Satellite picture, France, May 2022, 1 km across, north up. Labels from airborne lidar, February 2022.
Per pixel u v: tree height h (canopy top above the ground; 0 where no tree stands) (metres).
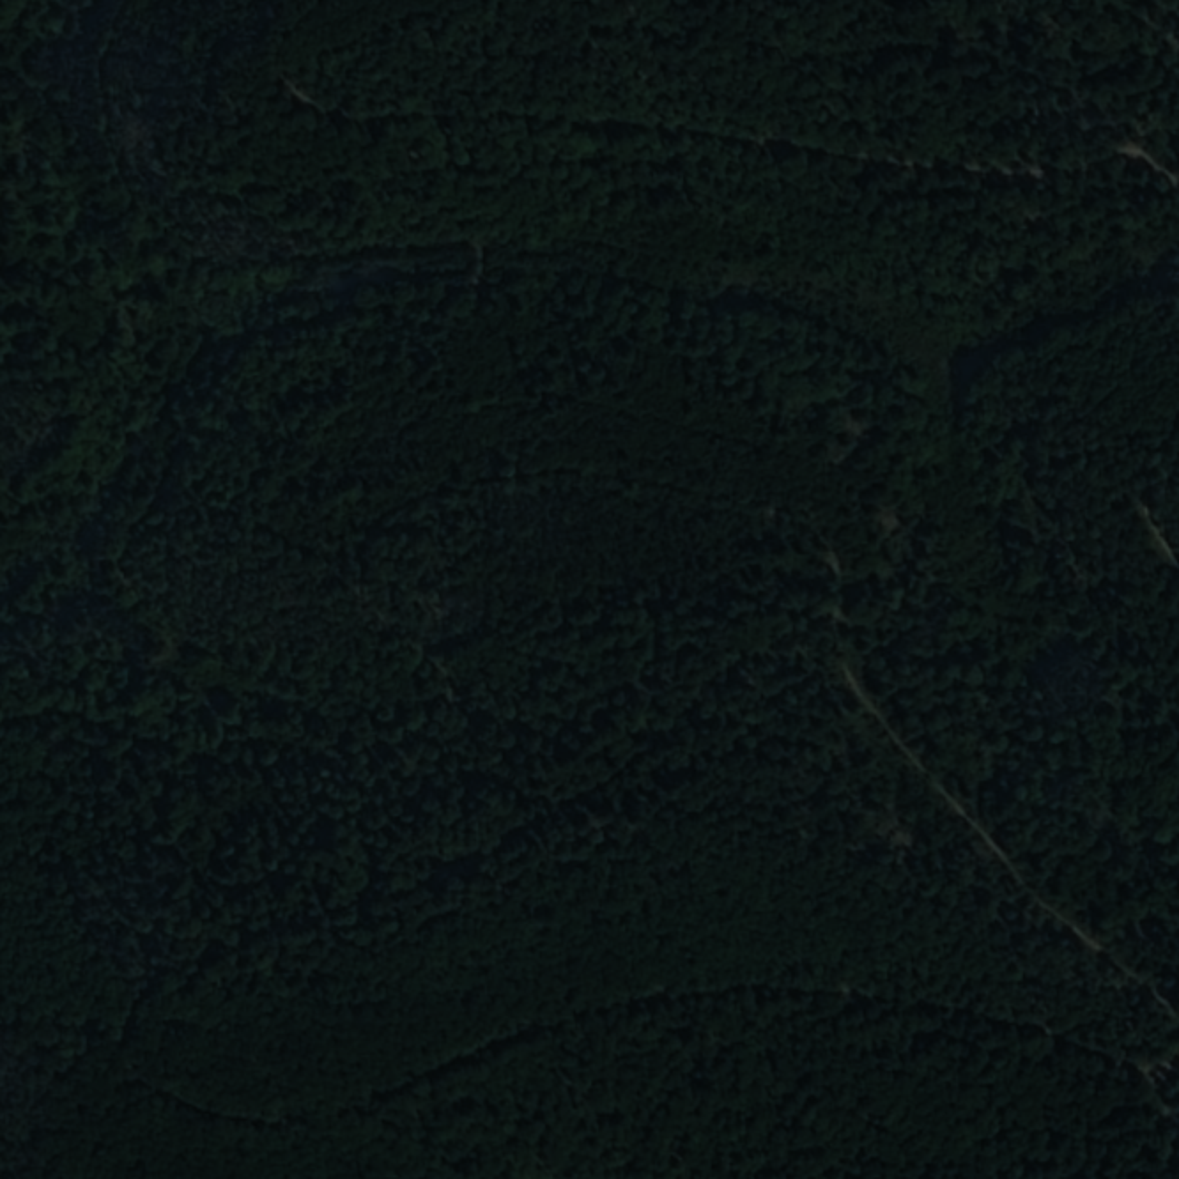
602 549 12
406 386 13
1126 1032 27
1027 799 21
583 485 10
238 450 34
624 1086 31
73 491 29
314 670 34
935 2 34
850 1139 24
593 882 25
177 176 32
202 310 24
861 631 36
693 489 13
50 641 29
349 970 23
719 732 36
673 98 34
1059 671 34
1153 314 31
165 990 28
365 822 39
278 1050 29
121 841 34
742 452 13
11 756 31
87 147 33
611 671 32
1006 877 8
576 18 35
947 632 22
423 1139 26
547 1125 33
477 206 29
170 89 27
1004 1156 33
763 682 34
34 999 31
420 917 16
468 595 13
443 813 40
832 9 34
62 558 20
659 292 20
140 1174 29
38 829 29
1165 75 34
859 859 17
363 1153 24
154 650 39
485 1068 26
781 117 31
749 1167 17
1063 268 12
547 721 38
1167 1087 28
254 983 27
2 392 30
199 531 30
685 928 23
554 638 30
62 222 22
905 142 33
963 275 30
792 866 23
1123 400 29
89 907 37
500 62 36
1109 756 28
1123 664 40
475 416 15
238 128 30
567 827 31
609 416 14
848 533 11
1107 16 36
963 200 35
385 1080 24
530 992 26
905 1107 28
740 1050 30
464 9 30
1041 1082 27
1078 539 34
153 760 46
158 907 43
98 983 28
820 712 37
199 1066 28
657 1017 32
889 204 32
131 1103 29
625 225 12
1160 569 26
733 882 22
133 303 32
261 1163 23
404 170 28
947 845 9
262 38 25
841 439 20
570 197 29
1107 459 32
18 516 35
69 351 38
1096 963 16
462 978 23
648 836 24
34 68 33
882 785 33
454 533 31
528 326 11
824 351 31
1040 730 27
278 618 29
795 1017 30
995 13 33
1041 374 34
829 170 31
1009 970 30
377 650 26
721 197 31
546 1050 24
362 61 31
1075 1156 34
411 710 36
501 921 27
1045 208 33
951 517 12
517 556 13
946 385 0
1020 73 46
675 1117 30
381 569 29
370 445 10
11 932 27
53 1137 29
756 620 33
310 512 10
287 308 34
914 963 29
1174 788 14
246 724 36
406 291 26
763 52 35
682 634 33
